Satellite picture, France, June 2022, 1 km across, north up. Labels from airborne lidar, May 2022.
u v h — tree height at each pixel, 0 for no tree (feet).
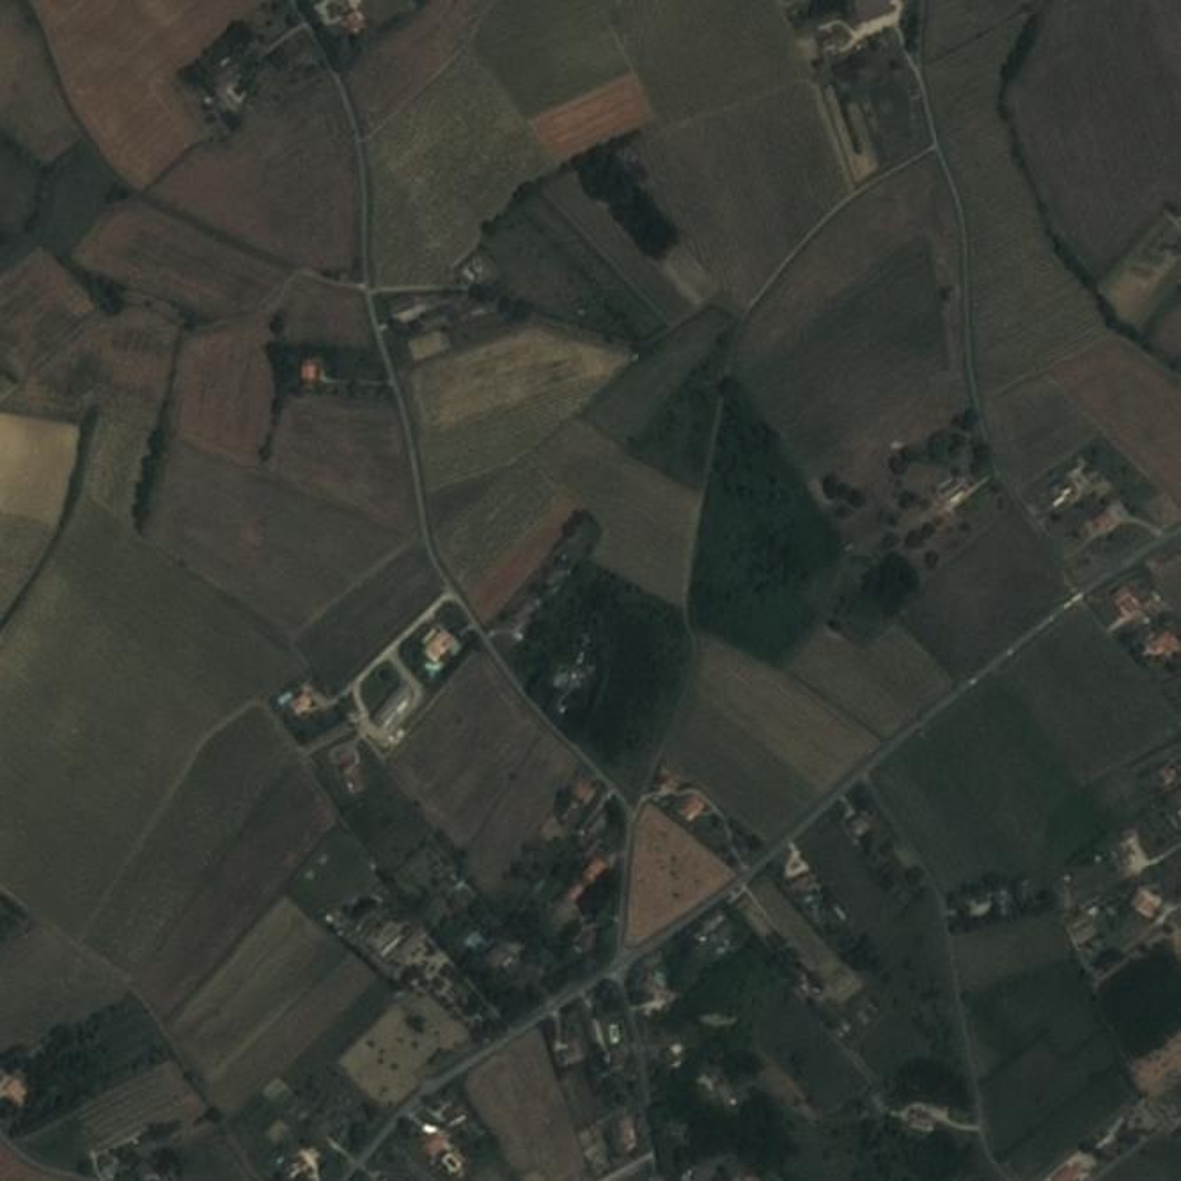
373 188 0
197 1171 0
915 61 0
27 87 0
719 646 0
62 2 0
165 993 0
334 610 0
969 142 0
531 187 43
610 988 62
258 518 0
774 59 0
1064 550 0
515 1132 0
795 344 0
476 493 0
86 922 0
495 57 0
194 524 0
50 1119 42
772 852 0
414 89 0
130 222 0
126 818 0
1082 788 0
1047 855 0
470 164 0
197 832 0
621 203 68
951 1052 23
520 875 31
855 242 0
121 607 0
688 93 0
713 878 0
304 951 0
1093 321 0
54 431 0
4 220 0
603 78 0
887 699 0
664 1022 26
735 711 0
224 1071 0
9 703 0
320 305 0
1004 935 0
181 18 0
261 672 0
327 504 0
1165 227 0
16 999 0
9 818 0
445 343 0
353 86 0
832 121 0
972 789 0
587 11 0
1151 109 0
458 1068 0
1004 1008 0
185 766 0
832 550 24
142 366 0
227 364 0
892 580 46
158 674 0
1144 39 0
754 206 0
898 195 0
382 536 0
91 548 0
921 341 0
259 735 0
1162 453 0
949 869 0
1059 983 0
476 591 0
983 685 0
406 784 0
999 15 0
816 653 0
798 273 0
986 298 0
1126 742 0
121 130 0
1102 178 0
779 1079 0
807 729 0
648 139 0
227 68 0
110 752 0
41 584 0
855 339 0
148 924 0
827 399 0
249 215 0
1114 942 0
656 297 0
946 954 0
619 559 0
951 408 0
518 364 0
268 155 0
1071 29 0
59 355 0
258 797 0
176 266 0
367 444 0
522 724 0
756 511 19
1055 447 0
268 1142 0
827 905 28
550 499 0
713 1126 44
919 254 0
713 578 20
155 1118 0
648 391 0
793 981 57
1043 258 0
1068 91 0
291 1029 0
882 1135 26
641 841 0
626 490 0
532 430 0
